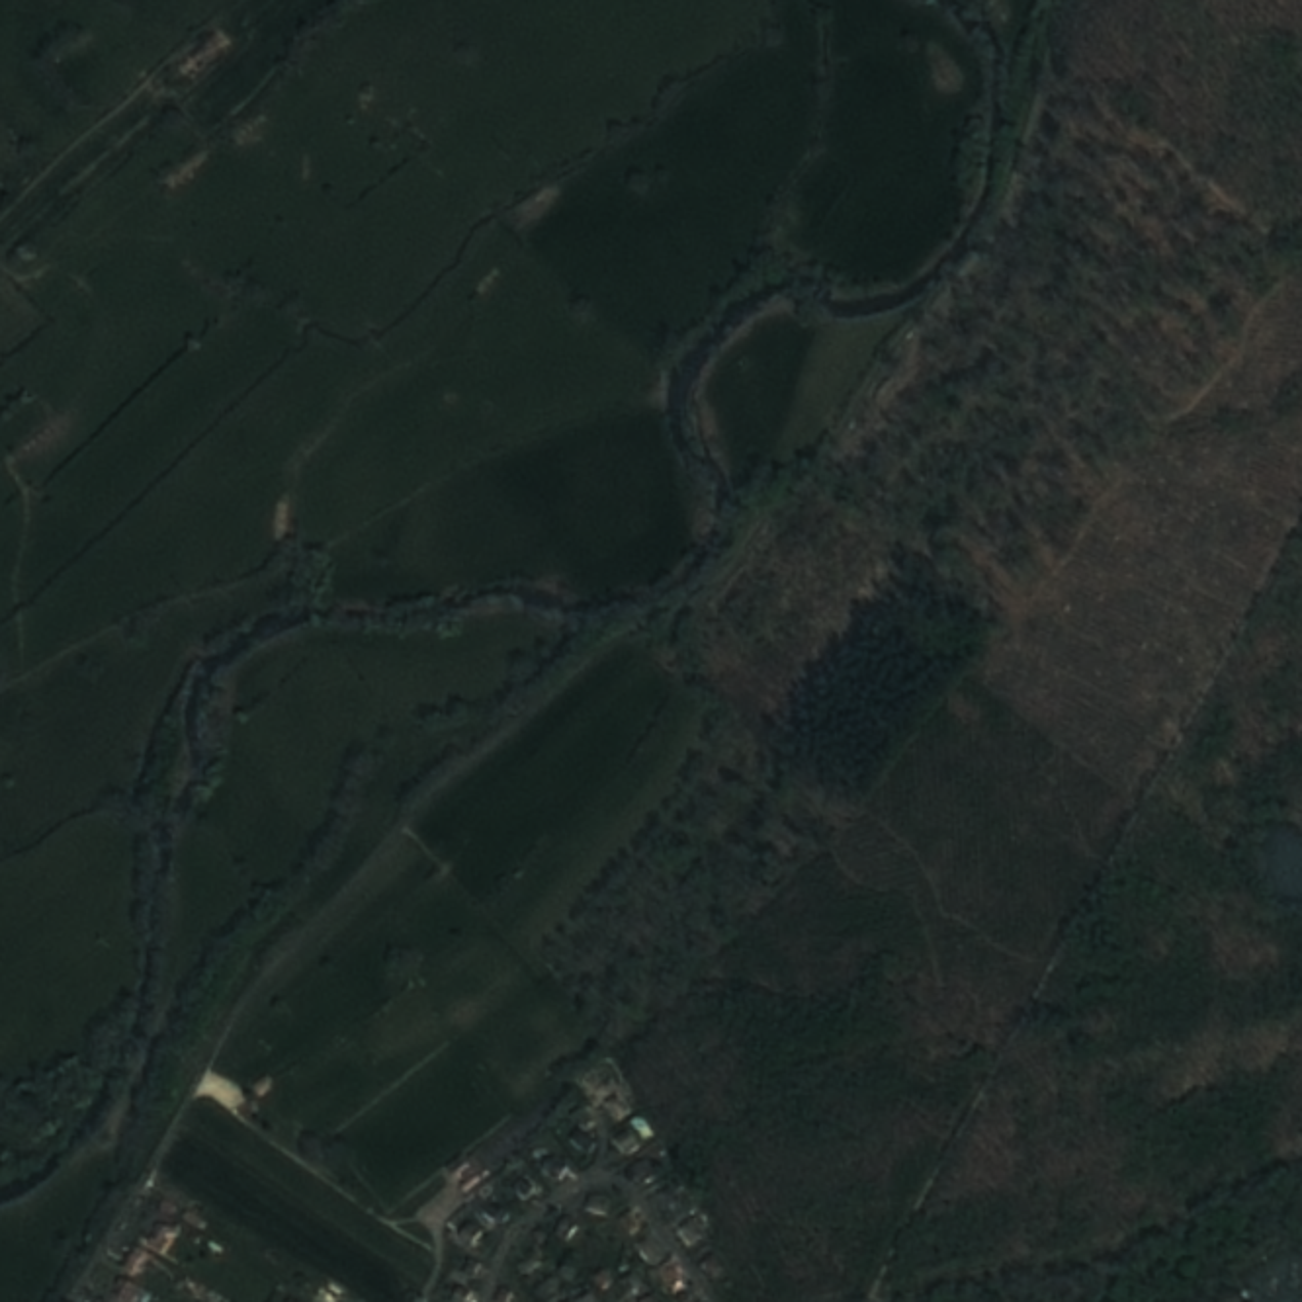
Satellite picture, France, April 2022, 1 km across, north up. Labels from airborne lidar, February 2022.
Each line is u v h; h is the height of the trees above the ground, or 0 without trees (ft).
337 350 0
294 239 0
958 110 0
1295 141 0
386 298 0
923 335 76
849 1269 20
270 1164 0
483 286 0
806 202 0
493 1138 0
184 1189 0
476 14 0
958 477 83
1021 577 100
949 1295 53
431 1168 0
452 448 0
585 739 0
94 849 0
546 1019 0
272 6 0
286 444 0
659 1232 0
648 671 0
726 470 0
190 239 0
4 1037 0
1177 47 0
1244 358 0
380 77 0
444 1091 0
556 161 0
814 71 0
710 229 0
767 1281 21
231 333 0
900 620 78
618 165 0
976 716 0
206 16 0
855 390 0
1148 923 62
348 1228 0
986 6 42
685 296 0
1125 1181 0
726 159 0
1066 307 95
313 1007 0
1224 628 0
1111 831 0
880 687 86
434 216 0
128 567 0
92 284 0
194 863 0
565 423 0
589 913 64
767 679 0
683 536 0
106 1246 0
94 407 0
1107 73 0
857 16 0
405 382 0
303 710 0
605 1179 0
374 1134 0
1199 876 0
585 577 0
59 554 0
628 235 0
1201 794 0
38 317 0
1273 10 0
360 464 0
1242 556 0
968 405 63
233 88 0
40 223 0
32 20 0
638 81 0
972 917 0
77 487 0
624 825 0
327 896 0
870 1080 44
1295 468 0
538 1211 0
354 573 0
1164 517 0
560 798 0
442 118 0
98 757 0
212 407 0
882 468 88
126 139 0
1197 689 0
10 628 0
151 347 0
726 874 94
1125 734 0
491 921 0
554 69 0
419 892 0
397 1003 0
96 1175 0
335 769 0
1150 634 0
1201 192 73
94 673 35
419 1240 0
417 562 0
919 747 0
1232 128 0
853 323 0
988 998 0
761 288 54
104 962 0
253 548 0
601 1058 54
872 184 0
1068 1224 52
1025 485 101
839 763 92
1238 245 97
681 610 52
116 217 0
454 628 41
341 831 65
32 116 0
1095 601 0
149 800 77
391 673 0
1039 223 84
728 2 0
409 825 0
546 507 0
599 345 0
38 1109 36
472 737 0
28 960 0
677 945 86
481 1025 0
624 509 0
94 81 0
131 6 39
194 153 18
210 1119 0
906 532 83
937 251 0
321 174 0
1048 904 0
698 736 0
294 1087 0
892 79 0
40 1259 0
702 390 0
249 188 0
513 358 0
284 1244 0
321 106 0
